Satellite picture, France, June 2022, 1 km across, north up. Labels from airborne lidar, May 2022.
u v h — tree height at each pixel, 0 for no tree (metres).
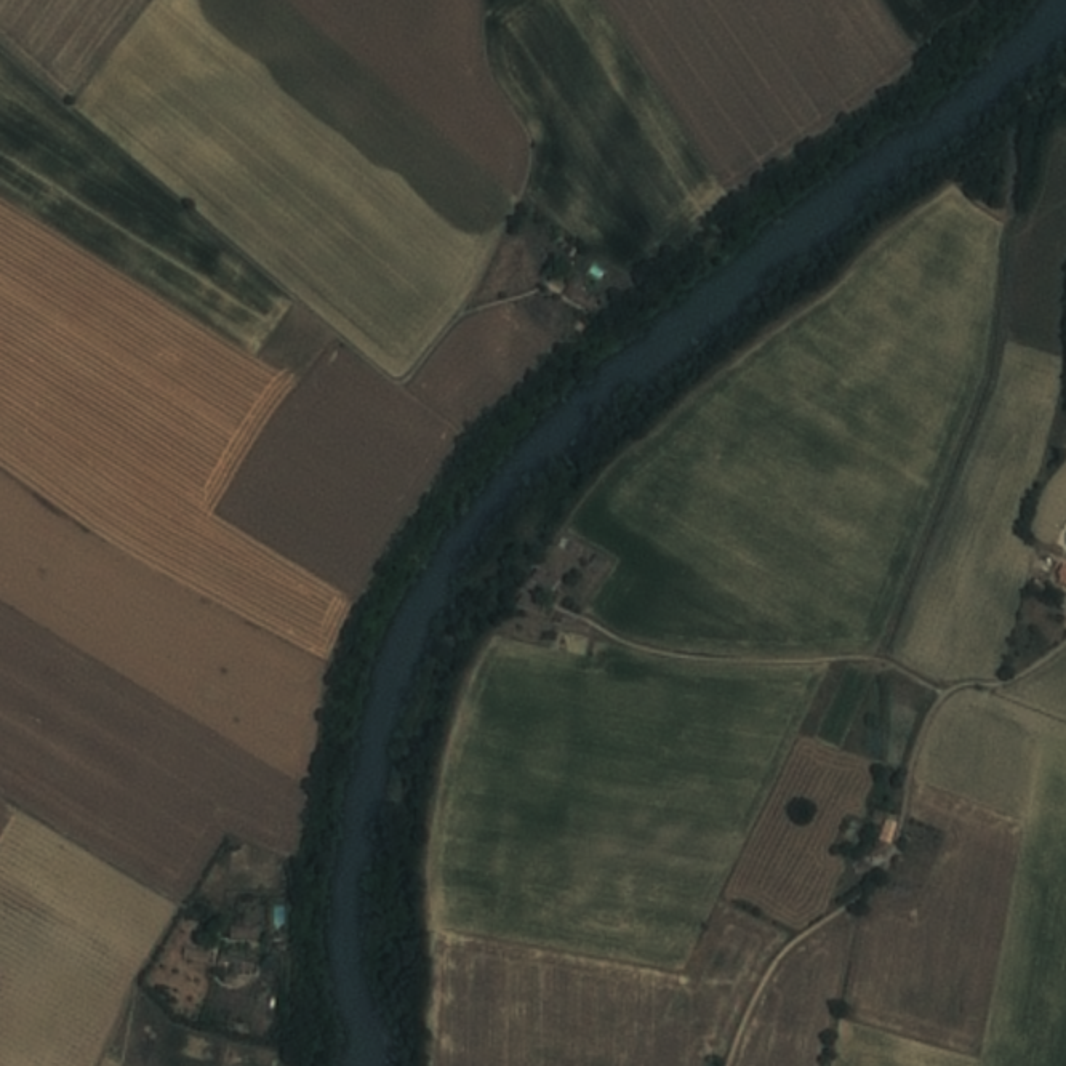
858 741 0
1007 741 0
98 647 0
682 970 0
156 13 0
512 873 0
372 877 16
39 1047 0
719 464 0
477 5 0
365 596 8
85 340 0
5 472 0
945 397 0
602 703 0
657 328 0
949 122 0
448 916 0
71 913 0
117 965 0
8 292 0
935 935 0
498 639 0
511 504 36
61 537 0
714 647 0
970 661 0
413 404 0
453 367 0
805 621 0
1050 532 0
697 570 0
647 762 0
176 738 0
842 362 0
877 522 0
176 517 0
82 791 0
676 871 0
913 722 0
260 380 0
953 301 0
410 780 9
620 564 0
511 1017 0
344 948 0
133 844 0
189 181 0
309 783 15
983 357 0
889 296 0
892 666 0
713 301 0
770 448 0
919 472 0
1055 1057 0
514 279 0
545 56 0
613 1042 0
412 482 0
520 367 0
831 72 0
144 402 0
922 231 0
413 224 0
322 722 12
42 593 0
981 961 0
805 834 0
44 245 0
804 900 0
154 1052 0
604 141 0
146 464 0
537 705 0
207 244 0
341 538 0
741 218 14
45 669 0
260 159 0
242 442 0
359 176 0
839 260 13
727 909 0
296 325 0
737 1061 0
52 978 0
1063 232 0
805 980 0
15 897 0
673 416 0
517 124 0
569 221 0
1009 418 0
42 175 0
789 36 0
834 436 0
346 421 0
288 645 0
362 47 0
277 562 0
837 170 9
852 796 0
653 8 0
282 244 0
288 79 0
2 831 0
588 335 9
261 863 0
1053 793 0
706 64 0
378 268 0
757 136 0
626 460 0
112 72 0
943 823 0
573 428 0
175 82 0
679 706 0
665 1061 0
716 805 0
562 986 0
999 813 0
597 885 0
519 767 0
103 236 0
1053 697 0
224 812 0
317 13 0
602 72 0
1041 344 0
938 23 0
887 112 24
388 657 0
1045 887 0
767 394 0
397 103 0
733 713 0
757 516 0
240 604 0
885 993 0
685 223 0
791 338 0
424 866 0
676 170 0
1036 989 0
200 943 20
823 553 0
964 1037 0
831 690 0
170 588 0
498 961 0
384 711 0
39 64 0
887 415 0
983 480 0
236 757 0
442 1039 0
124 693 0
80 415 0
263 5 0
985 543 0
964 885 0
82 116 0
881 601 0
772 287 24
